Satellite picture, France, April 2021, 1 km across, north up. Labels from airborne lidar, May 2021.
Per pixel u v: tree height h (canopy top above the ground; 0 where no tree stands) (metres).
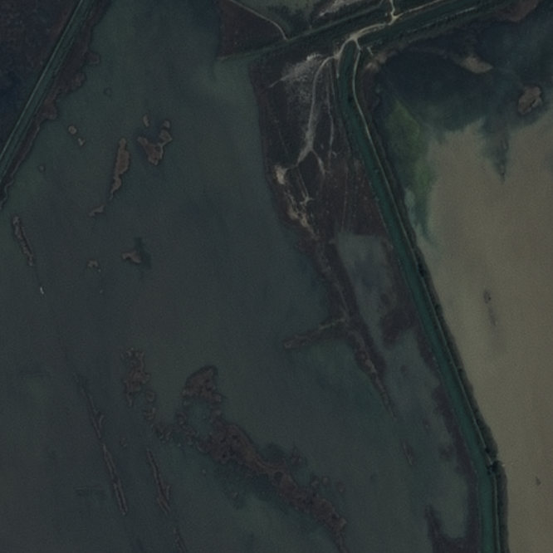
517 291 0
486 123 0
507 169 0
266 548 0
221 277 0
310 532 0
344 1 0
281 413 0
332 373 0
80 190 0
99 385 0
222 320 0
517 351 0
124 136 0
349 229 0
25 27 0
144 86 0
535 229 0
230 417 0
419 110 0
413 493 0
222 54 0
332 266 0
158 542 0
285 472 0
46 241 0
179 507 0
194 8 0
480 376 0
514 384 0
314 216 0
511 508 0
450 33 0
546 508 0
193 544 0
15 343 0
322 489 0
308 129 0
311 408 0
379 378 0
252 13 0
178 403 0
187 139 0
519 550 0
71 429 0
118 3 0
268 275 0
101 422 0
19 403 0
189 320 0
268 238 0
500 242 0
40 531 0
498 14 0
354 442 0
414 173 0
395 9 0
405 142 0
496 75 0
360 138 0
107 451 0
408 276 0
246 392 0
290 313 0
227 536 0
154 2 0
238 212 0
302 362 0
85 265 0
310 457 0
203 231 0
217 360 0
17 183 0
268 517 0
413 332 0
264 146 0
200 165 0
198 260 0
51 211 0
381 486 0
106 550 0
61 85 0
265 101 0
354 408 0
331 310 0
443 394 0
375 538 0
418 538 0
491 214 0
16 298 0
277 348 0
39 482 0
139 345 0
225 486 0
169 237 0
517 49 0
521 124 0
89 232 0
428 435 0
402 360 0
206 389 0
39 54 0
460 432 0
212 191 0
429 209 0
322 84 0
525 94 0
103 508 0
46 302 0
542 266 0
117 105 0
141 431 0
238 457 0
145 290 0
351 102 10
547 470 0
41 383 0
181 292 0
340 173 0
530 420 0
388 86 0
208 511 0
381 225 0
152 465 0
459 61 0
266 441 0
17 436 0
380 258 0
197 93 0
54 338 0
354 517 0
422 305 0
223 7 0
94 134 0
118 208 0
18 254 0
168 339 0
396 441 0
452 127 0
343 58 0
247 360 0
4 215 0
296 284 0
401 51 0
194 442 0
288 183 0
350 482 0
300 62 0
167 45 0
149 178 0
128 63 0
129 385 0
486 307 0
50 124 0
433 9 0
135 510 0
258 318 0
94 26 0
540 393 0
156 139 0
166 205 0
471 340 0
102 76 0
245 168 0
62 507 0
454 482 0
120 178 0
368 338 0
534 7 0
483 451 0
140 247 0
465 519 0
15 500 0
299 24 5
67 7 0
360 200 0
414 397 0
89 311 0
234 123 0
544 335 0
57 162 0
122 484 0
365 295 0
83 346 0
